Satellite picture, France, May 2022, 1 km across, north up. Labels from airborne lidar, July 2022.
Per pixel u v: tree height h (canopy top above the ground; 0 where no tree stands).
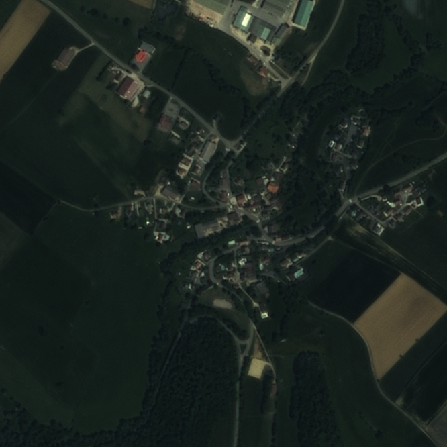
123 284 0
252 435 0
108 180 0
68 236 0
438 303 0
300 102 20
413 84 0
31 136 0
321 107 27
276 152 0
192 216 19
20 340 0
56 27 0
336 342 0
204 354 17
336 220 15
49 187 0
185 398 11
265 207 7
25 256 0
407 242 0
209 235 0
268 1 0
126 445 23
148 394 15
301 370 26
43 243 0
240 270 12
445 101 0
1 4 0
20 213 0
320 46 0
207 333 19
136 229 14
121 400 0
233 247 0
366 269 0
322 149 0
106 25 0
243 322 0
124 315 0
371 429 7
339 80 19
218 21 0
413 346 0
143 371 0
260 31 0
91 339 0
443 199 0
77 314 0
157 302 0
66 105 0
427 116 19
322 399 23
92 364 0
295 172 9
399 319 0
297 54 0
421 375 0
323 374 26
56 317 0
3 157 0
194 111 0
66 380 0
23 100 0
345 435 0
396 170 0
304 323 0
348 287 0
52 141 0
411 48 16
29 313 0
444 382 0
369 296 0
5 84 0
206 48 0
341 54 0
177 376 15
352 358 0
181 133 0
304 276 0
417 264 0
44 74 0
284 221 7
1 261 0
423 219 0
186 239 0
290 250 6
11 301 0
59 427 13
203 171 0
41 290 0
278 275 18
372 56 12
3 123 0
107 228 0
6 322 0
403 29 18
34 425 20
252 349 0
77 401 0
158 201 7
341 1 0
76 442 17
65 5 0
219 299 0
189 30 0
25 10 0
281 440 0
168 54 0
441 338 0
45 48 0
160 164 0
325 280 0
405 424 0
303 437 24
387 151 0
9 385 0
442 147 0
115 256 0
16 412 8
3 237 0
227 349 17
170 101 0
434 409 0
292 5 0
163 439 28
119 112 0
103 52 0
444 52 0
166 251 0
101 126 0
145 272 0
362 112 7
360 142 0
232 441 0
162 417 9
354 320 0
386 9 8
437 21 0
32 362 0
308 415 22
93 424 0
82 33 0
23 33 0
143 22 0
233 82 0
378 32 22
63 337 0
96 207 13
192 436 22
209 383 12
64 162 0
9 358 0
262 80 0
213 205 0
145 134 0
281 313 0
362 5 0
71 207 0
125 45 0
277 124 7
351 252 0
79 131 0
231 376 20
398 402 0
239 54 0
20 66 0
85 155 0
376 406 0
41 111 0
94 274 0
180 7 0
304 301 12
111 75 0
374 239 0
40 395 0
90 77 0
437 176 0
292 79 0
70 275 0
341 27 0
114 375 0
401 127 0
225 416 16
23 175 0
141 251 0
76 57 0
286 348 0
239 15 0
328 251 0
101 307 0
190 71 0
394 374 0
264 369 0
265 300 0
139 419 15
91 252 0
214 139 0
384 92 16
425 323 0
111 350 0
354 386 0
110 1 0
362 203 11
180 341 11
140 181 0
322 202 21
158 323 0
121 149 0
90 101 0
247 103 16
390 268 0
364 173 0
